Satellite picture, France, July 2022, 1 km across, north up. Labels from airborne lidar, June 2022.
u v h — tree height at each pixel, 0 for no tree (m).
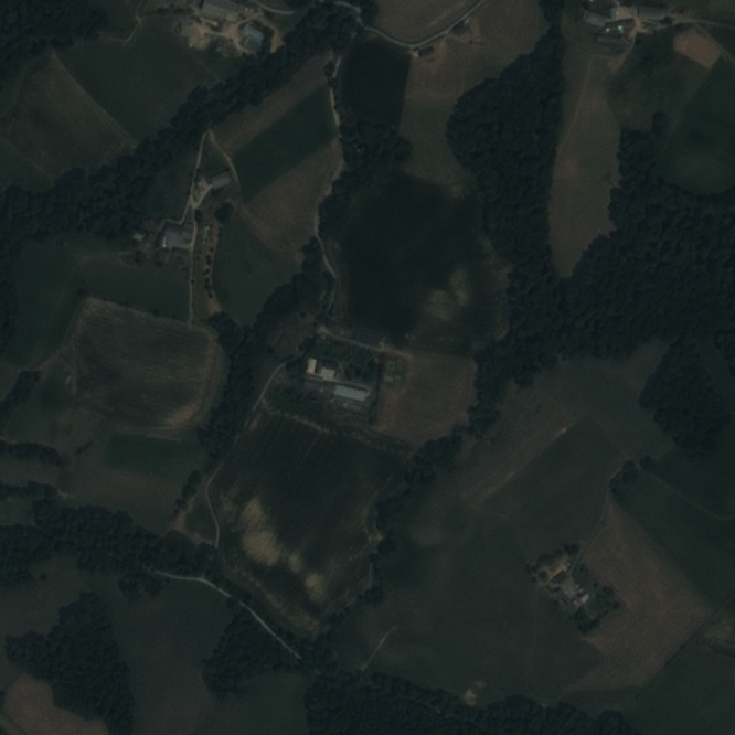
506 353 22
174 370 0
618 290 37
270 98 0
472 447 0
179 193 0
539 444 0
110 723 14
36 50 31
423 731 23
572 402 0
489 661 0
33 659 10
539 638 0
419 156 0
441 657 0
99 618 16
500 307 0
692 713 0
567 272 0
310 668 25
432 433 0
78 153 0
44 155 0
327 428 0
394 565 0
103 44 0
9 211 30
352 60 0
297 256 0
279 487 0
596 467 0
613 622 0
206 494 0
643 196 37
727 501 0
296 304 24
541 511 0
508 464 0
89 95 0
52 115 0
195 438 0
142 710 0
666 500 0
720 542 0
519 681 0
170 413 0
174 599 0
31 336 0
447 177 0
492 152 32
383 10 0
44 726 0
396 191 0
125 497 0
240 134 0
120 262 0
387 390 0
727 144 0
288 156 0
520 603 0
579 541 0
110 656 21
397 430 0
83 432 0
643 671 0
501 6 0
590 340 21
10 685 0
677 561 0
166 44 0
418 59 0
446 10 0
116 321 0
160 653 0
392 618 0
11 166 0
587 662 0
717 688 0
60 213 31
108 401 0
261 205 0
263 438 0
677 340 10
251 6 0
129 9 0
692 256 32
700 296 35
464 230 0
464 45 0
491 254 0
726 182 0
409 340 0
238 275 0
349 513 0
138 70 0
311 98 0
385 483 0
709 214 17
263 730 0
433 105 0
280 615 0
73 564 0
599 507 0
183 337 0
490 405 25
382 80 0
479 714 11
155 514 0
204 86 0
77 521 25
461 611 0
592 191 0
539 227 30
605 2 0
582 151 0
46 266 0
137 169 26
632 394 0
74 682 15
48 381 0
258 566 0
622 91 0
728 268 36
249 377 26
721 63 0
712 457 0
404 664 0
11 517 0
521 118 38
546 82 32
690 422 30
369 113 0
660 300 34
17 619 0
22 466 0
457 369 0
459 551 0
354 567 0
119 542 31
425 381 0
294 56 25
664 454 0
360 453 0
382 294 0
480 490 0
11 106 0
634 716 0
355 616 0
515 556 0
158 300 0
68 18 32
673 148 0
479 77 0
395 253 0
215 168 0
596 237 0
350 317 0
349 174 15
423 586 0
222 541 0
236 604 19
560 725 33
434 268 0
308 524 0
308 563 0
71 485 0
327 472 0
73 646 18
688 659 0
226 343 24
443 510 0
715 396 17
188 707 0
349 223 0
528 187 35
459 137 31
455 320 0
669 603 0
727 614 0
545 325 29
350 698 31
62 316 0
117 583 0
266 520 0
